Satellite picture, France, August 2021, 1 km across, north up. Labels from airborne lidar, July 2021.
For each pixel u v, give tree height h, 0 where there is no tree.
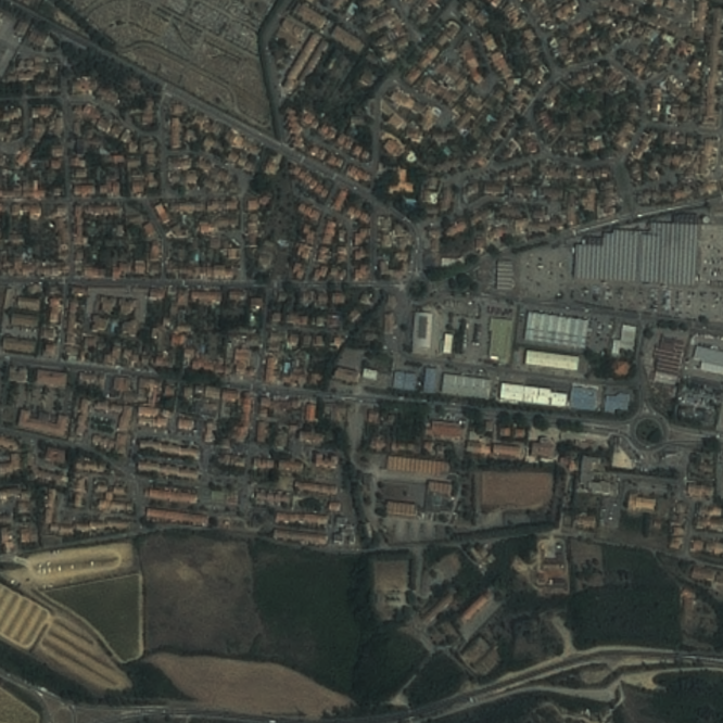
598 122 8
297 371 0
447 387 0
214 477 0
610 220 0
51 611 0
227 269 0
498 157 8
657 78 0
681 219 0
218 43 0
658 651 0
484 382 0
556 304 0
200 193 0
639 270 0
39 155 6
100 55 10
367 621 19
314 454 0
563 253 0
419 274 0
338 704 0
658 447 0
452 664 7
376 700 6
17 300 0
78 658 0
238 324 9
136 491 0
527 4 6
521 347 0
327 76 12
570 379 0
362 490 9
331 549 0
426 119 0
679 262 0
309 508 7
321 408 7
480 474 0
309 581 0
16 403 8
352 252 0
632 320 0
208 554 0
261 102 0
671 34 5
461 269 14
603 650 0
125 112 7
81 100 0
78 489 0
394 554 11
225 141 7
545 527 12
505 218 9
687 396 0
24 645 0
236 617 0
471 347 0
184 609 0
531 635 11
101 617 0
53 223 7
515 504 0
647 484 0
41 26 12
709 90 0
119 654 0
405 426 8
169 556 0
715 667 0
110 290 0
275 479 10
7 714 0
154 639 0
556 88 0
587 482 0
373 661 14
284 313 10
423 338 0
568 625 6
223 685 0
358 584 12
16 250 9
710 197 0
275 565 0
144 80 10
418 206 7
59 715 0
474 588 6
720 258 0
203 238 10
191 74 0
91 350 8
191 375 19
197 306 10
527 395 0
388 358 7
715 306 0
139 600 0
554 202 0
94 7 0
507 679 0
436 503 0
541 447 0
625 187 0
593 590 9
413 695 8
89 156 9
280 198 10
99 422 5
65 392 0
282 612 0
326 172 0
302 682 0
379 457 0
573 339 0
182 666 0
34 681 8
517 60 12
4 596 0
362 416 0
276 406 0
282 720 0
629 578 12
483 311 0
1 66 0
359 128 11
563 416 0
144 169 9
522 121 10
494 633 9
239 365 0
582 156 7
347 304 7
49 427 0
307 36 0
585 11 0
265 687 0
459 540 11
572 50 6
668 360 0
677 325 8
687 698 6
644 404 0
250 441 10
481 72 6
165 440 0
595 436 0
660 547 0
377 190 11
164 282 0
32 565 0
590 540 8
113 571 0
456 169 7
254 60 0
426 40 10
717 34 0
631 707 0
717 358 0
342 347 9
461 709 0
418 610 8
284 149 0
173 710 0
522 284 0
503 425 15
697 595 6
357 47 0
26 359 0
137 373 0
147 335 8
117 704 14
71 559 0
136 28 0
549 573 0
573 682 8
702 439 0
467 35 0
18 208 0
